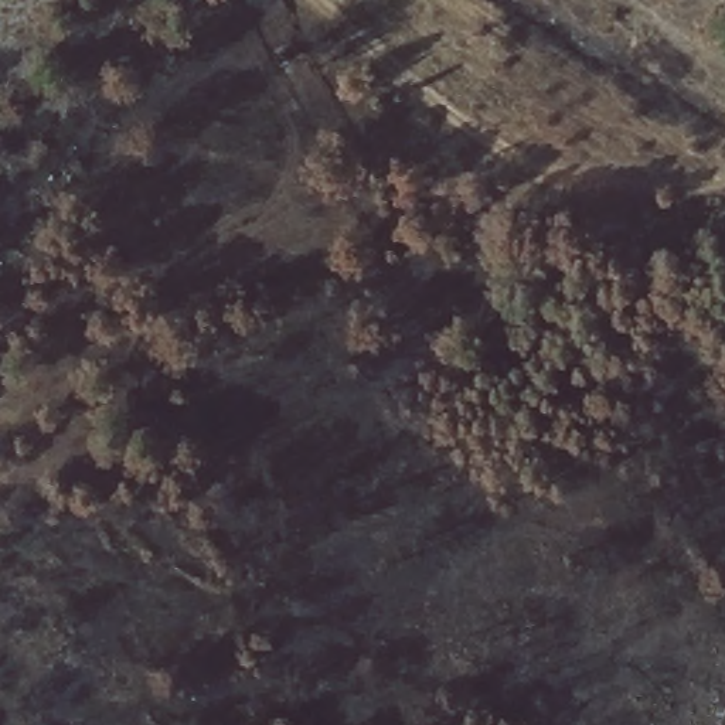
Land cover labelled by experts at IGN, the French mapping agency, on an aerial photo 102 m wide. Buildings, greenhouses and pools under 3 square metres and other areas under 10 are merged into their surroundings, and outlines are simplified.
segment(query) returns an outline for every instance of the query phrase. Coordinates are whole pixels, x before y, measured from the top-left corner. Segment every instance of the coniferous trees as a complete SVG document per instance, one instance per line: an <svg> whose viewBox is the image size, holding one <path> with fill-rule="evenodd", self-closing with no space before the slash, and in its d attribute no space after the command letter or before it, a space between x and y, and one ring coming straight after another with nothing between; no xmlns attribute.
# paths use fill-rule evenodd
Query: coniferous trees
<svg viewBox="0 0 725 725"><path fill-rule="evenodd" d="M25 297L20 295L11 306L0 309L0 462L34 464L71 428L76 413L85 413L91 425L88 453L68 459L57 473L57 481L37 481L48 504L71 510L74 515L85 518L93 513L96 501L108 501L110 496L116 496L125 504L122 515L130 515L136 510L153 510L164 515L176 510L181 518L190 521L190 527L210 532L244 524L246 518L238 501L224 496L232 490L232 484L218 476L218 467L210 464L207 433L190 425L159 425L153 419L125 413L116 385L116 368L127 357L147 363L153 357L167 365L167 371L204 368L207 351L212 348L215 337L238 340L275 331L280 326L280 297L275 295L275 286L263 278L221 275L215 278L207 300L184 300L176 286L133 269L127 263L130 246L116 235L108 210L74 193L59 195L54 207L48 207L48 218L42 221L42 227L34 229L34 244L28 246L28 255L20 261L20 269L28 272L28 280L23 283Z"/></svg>
<svg viewBox="0 0 725 725"><path fill-rule="evenodd" d="M626 481L629 498L646 498L649 507L683 518L685 535L694 541L694 547L685 549L685 561L700 578L702 600L719 603L725 598L725 190L702 195L700 184L714 178L711 167L685 173L680 156L663 156L646 167L595 167L581 178L569 170L561 170L552 173L549 181L544 181L527 198L507 195L504 201L493 201L490 195L476 193L473 173L462 173L459 178L445 178L436 184L422 173L413 156L399 150L385 156L365 156L351 139L337 136L331 130L320 130L312 147L297 161L300 187L312 190L314 201L323 201L326 210L323 249L312 249L314 289L306 300L309 329L331 331L337 337L337 348L329 354L329 368L351 382L351 394L363 396L365 408L377 419L388 422L394 439L405 447L405 453L433 464L453 462L456 476L484 487L487 510L496 515L498 524L510 530L524 527L535 507L561 504L572 490L583 490L592 479Z"/></svg>
<svg viewBox="0 0 725 725"><path fill-rule="evenodd" d="M20 76L20 51L0 48L0 130L20 125L17 110L11 108L11 93L23 93L28 82Z"/></svg>
<svg viewBox="0 0 725 725"><path fill-rule="evenodd" d="M34 167L42 156L42 142L31 142L25 153L0 153L0 176L14 176L20 170Z"/></svg>
<svg viewBox="0 0 725 725"><path fill-rule="evenodd" d="M555 697L549 691L524 688L496 702L476 702L442 685L422 705L411 708L408 717L396 717L391 725L544 725L558 717Z"/></svg>

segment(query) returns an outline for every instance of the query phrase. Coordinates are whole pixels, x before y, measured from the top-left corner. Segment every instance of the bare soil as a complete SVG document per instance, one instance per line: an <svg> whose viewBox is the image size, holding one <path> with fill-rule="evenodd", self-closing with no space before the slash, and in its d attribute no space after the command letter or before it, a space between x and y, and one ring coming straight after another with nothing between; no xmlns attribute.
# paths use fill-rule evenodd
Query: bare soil
<svg viewBox="0 0 725 725"><path fill-rule="evenodd" d="M646 167L663 156L680 156L685 173L711 167L714 178L700 184L702 195L725 190L725 0L0 0L0 48L20 51L20 76L28 82L23 93L11 93L11 108L17 110L20 125L0 130L0 153L25 153L31 142L42 142L42 156L34 167L20 170L14 176L0 176L0 309L11 306L20 295L25 297L23 283L28 280L28 272L20 269L20 261L28 255L28 246L34 244L34 229L42 227L42 221L48 218L48 207L54 207L59 195L74 193L108 210L116 235L130 246L127 263L133 269L176 286L184 300L207 300L215 278L221 275L263 278L275 286L275 295L280 297L280 326L275 331L238 340L215 337L212 348L207 351L204 368L167 371L167 365L153 357L147 363L127 357L116 368L116 385L125 413L153 419L159 425L190 425L207 433L210 464L218 467L218 476L232 484L232 490L224 496L238 501L246 518L244 524L210 532L190 527L190 521L181 518L176 510L164 515L153 510L136 510L130 515L122 515L125 504L116 496L110 496L108 501L96 501L93 513L85 518L74 515L71 510L48 504L37 481L57 481L57 473L68 459L88 453L91 425L85 413L76 413L71 428L34 464L0 462L0 725L391 725L396 717L408 717L411 708L422 705L442 685L476 702L496 702L524 688L549 691L555 697L558 717L544 725L725 725L725 598L719 603L702 600L700 578L685 561L685 549L694 547L694 541L685 535L683 518L649 507L646 498L629 498L626 481L592 479L583 490L572 490L561 504L535 507L524 527L510 530L498 524L496 515L487 510L484 487L456 476L453 462L433 464L405 453L405 447L394 439L388 422L377 419L365 408L363 396L351 394L351 382L329 368L329 354L337 348L337 337L331 331L309 329L306 300L314 289L312 249L323 249L326 210L323 201L314 201L312 190L300 187L297 161L312 147L320 130L331 130L337 136L351 139L365 156L385 156L399 150L413 156L422 173L436 184L445 178L459 178L462 173L473 173L476 193L490 195L493 201L504 201L507 195L527 198L544 181L549 181L552 173L561 170L569 170L581 178L595 167Z"/></svg>

